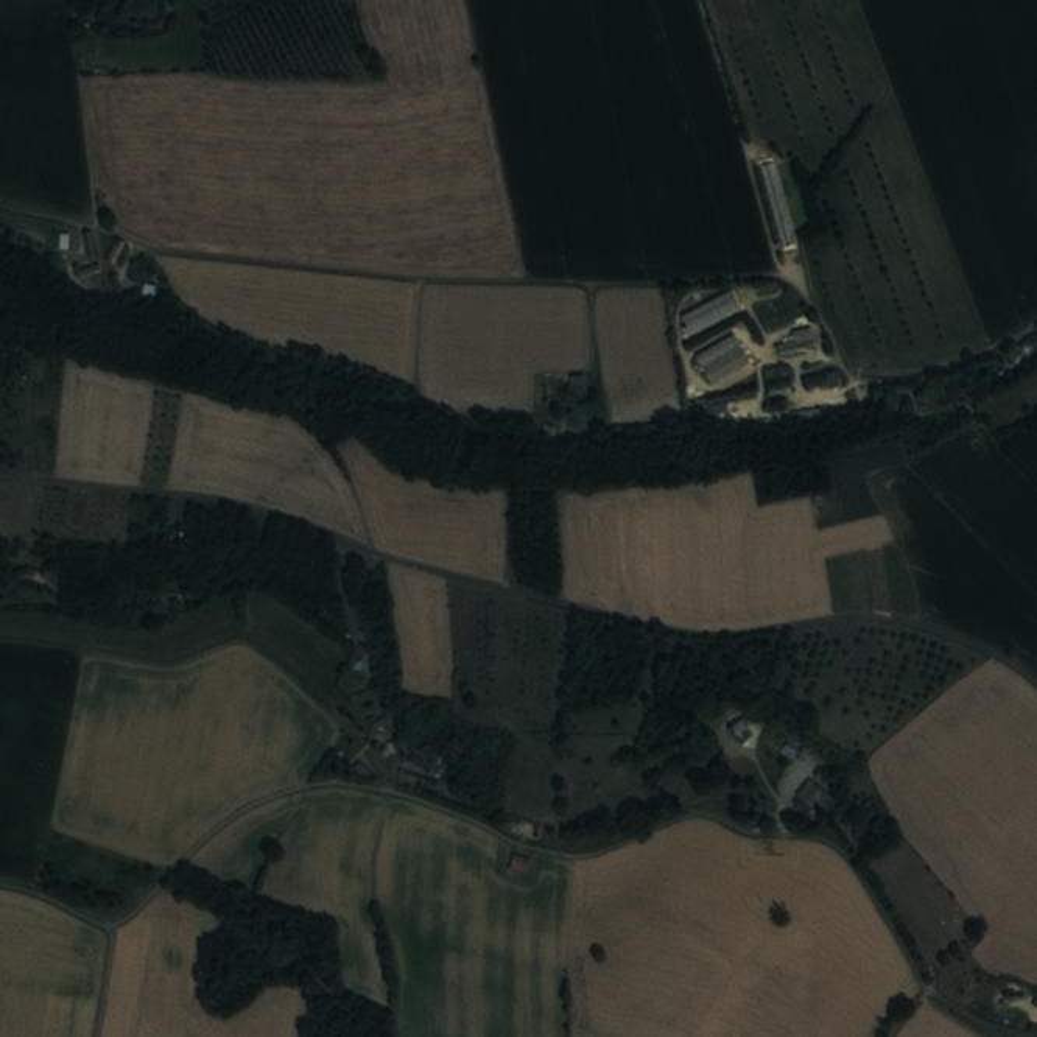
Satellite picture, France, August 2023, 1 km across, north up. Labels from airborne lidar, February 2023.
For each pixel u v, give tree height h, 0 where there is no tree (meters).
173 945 0
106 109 0
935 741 0
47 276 13
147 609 10
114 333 16
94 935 0
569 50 0
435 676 0
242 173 0
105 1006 0
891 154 0
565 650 12
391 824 0
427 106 0
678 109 0
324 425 12
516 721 0
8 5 0
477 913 0
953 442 0
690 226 0
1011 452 0
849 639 0
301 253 0
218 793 0
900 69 0
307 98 0
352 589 11
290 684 0
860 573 0
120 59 0
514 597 0
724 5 0
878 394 9
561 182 0
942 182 0
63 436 0
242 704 0
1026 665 0
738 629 0
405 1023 0
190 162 0
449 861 0
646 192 0
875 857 19
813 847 0
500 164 0
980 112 0
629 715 0
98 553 12
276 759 0
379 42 0
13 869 0
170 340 13
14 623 0
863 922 0
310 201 0
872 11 0
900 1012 18
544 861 0
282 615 0
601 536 0
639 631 19
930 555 0
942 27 0
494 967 0
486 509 0
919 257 0
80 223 0
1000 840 0
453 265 0
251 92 0
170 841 0
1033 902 0
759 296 0
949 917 0
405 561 0
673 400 0
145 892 0
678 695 15
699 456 20
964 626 0
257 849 0
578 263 0
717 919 0
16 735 0
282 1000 0
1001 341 0
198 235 0
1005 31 0
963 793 0
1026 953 0
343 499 0
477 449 20
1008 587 0
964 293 0
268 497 0
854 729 0
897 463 0
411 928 0
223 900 15
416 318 0
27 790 0
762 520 0
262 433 0
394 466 14
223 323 0
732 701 14
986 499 0
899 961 0
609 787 0
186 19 0
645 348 0
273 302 0
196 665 0
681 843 0
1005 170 0
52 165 0
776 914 14
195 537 13
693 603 0
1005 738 0
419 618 0
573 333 0
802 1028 0
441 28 0
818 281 0
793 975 0
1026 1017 0
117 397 0
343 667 8
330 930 16
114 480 0
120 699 0
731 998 0
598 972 0
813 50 0
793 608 0
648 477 11
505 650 0
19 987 0
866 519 0
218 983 16
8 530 0
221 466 0
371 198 0
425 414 16
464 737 6
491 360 0
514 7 0
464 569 0
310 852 0
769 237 0
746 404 0
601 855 0
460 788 16
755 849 0
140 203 0
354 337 0
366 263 0
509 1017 0
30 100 0
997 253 0
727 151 0
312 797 0
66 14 0
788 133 0
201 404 0
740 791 11
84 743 0
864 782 0
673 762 23
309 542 16
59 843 0
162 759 0
